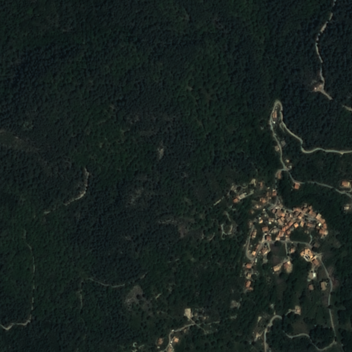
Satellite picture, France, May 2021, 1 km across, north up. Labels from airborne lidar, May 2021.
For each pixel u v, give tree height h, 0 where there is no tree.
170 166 22
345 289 21
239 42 17
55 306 18
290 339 8
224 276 12
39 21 18
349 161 8
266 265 13
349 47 21
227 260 12
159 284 9
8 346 10
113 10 32
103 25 27
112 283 9
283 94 16
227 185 6
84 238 19
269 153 12
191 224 15
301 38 7
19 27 20
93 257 9
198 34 24
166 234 24
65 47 10
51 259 10
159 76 16
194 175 20
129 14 25
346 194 8
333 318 0
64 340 17
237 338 18
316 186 12
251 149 22
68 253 16
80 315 14
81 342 20
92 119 21
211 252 7
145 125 25
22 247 12
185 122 19
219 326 13
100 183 17
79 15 14
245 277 7
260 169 16
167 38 30
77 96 17
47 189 19
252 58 24
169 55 19
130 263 19
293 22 18
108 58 19
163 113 16
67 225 9
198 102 23
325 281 7
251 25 15
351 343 23
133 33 38
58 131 15
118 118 23
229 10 15
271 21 30
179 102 21
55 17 14
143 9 29
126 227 25
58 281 13
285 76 14
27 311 19
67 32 15
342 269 8
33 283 18
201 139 9
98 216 15
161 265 14
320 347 14
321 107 16
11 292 20
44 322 9
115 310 22
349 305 20
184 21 17
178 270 11
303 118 11
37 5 12
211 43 13
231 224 13
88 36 25
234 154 22
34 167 27
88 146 25
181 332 10
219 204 14
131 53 22
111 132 18
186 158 21
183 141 22
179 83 15
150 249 19
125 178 18
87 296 16
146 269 16
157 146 10
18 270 17
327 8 15
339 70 21
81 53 28
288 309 0
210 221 22
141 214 21
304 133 13
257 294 13
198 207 11
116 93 37
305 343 12
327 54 19
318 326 10
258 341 0
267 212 8
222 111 16
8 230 12
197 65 23
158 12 26
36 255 17
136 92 28
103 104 25
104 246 16
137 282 15
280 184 18
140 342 13
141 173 16
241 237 12
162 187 25
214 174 9
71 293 14
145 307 0
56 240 14
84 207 11
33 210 22
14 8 19
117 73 19
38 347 16
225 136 15
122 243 19
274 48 26
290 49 11
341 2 21
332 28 17
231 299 8
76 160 23
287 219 0
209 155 15
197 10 20
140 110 25
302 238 0
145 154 14
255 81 18
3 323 8
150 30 34
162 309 8
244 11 17
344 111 11
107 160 16
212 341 15
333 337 10
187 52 23
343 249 10
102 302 27
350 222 8
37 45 7
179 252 14
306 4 16
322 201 19
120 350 13
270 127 11
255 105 18
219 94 21
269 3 27
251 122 15
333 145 14
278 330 19
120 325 24
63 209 17
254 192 14
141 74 25
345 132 7
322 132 18
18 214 18
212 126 21
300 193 9
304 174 10
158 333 15
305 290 7
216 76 18
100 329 15
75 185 19
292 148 8
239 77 31
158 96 26
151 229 20
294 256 26
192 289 8
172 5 18
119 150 21
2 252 15
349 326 0
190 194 14
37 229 18
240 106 19
